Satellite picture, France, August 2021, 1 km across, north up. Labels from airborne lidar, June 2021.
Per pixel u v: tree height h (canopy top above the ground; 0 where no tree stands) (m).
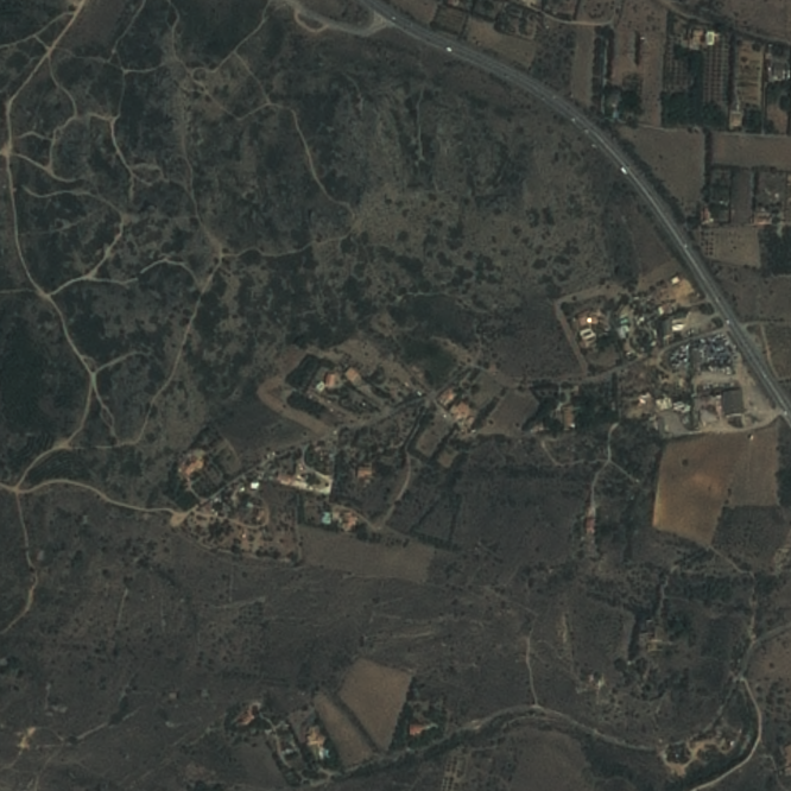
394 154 0
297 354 0
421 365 0
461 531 0
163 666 0
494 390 0
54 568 0
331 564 0
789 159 0
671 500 0
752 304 0
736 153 0
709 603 8
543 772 0
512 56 0
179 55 0
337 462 6
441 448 8
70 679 0
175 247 0
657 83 0
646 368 0
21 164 0
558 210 0
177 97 0
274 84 0
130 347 0
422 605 0
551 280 0
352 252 0
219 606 0
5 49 0
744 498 0
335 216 0
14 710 0
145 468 0
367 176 0
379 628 0
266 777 0
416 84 0
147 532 0
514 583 0
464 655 0
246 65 0
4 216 0
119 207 0
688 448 0
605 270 0
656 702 0
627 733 0
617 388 10
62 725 0
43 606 0
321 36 0
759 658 0
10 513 0
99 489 0
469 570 0
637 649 10
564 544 0
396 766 6
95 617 0
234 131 0
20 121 0
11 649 0
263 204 0
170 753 0
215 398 0
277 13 0
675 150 0
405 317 0
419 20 0
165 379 0
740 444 0
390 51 0
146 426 0
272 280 0
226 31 0
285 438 0
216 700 0
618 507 0
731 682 6
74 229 0
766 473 0
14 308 0
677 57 7
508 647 0
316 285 0
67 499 0
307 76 0
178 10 0
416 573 0
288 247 0
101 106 0
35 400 6
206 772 0
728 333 0
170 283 0
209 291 0
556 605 0
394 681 0
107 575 10
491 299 0
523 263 0
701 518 0
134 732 0
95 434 0
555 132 0
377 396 6
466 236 0
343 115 0
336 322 0
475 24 0
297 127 0
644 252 0
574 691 0
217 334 0
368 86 0
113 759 0
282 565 0
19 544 0
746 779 0
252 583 0
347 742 0
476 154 0
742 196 0
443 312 0
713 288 0
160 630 0
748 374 0
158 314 0
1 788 0
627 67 0
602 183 0
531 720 0
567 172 0
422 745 8
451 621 0
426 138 0
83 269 0
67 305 0
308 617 0
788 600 0
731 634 0
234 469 0
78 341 0
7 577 0
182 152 0
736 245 0
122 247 0
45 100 0
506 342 0
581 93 0
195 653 0
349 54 0
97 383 0
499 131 0
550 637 0
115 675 0
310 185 0
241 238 0
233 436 0
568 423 0
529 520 0
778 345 0
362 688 0
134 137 0
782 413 0
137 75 0
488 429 0
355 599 0
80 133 0
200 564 0
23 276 0
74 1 0
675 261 0
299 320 0
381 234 0
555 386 8
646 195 0
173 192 0
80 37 0
